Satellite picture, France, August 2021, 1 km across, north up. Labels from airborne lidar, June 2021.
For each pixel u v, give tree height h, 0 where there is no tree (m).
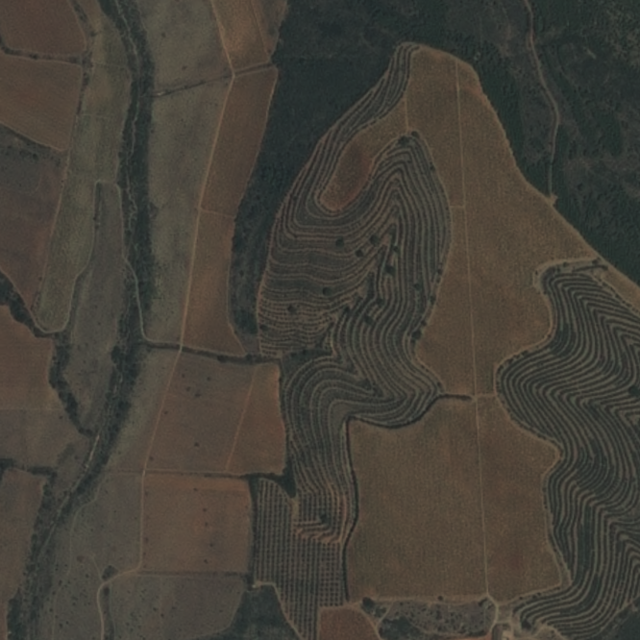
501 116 6
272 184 7
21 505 0
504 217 0
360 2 6
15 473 0
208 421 0
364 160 0
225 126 0
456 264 0
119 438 0
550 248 0
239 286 0
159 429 0
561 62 7
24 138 0
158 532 0
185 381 0
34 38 0
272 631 0
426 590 0
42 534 0
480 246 0
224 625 0
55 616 0
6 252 0
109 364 0
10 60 0
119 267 0
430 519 0
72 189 0
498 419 0
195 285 0
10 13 0
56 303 0
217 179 0
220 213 0
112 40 0
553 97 0
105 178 0
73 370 0
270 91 0
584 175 0
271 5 0
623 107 6
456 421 0
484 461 0
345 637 0
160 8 0
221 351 0
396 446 0
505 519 0
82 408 0
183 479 0
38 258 0
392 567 0
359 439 0
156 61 0
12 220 0
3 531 0
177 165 0
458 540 0
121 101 0
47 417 0
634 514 0
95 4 0
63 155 0
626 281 0
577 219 6
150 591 0
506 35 0
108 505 0
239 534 0
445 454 0
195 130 0
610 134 7
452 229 0
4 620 0
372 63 0
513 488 0
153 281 0
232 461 0
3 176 0
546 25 7
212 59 0
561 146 7
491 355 0
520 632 0
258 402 0
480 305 0
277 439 0
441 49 5
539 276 0
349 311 13
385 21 6
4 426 0
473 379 0
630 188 0
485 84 6
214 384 0
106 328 0
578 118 6
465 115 0
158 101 0
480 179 0
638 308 0
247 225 0
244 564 0
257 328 8
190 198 0
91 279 0
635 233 6
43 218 0
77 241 0
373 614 0
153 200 0
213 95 0
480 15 0
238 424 0
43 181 0
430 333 0
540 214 0
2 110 0
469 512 0
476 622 0
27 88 0
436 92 0
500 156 0
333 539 0
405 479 0
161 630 0
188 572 0
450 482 0
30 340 0
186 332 0
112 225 0
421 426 0
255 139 0
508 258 0
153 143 0
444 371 0
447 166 0
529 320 0
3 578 0
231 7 0
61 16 0
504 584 0
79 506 0
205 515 0
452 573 0
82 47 0
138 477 0
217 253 0
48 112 0
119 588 0
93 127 0
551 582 0
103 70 0
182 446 0
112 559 0
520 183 0
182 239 0
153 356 0
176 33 0
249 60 0
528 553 0
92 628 0
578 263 0
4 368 0
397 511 0
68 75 0
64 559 0
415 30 7
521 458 0
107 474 0
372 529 0
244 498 0
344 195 0
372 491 0
